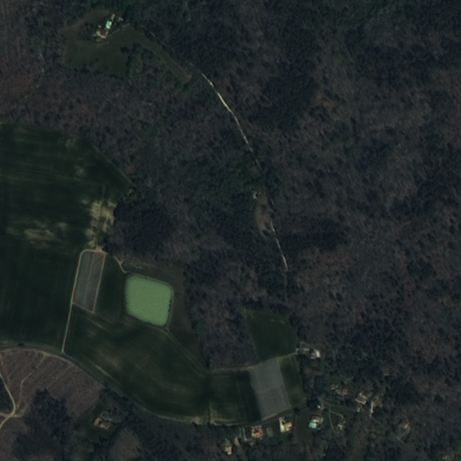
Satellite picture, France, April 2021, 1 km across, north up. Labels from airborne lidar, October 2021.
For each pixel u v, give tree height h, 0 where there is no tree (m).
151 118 10
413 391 17
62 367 6
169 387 0
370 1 16
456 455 12
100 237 0
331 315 9
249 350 14
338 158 22
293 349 0
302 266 11
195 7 17
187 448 15
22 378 0
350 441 21
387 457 17
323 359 16
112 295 0
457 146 9
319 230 7
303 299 7
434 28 30
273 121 26
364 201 16
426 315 12
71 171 0
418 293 11
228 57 28
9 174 0
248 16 14
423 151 20
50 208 0
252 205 13
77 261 0
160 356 0
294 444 22
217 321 8
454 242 14
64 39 12
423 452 16
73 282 0
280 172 12
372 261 12
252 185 7
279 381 0
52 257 0
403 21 23
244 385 0
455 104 13
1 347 0
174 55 17
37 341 0
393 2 23
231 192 24
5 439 0
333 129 19
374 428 9
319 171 14
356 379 18
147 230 26
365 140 17
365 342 25
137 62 21
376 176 16
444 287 22
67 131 13
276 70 13
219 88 9
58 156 0
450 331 13
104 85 16
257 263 19
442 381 12
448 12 27
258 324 0
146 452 17
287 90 30
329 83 24
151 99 10
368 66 21
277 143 14
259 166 9
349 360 17
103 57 0
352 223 12
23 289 0
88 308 0
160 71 7
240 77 10
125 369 0
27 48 12
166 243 21
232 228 25
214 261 20
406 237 8
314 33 25
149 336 0
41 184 0
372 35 17
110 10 21
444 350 15
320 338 8
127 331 0
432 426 20
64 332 0
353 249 11
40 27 25
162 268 0
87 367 0
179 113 16
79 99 6
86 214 0
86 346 0
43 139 0
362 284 15
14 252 0
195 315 17
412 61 23
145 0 24
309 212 9
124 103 10
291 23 12
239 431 14
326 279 18
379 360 16
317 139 15
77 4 17
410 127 15
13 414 0
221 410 0
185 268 14
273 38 28
